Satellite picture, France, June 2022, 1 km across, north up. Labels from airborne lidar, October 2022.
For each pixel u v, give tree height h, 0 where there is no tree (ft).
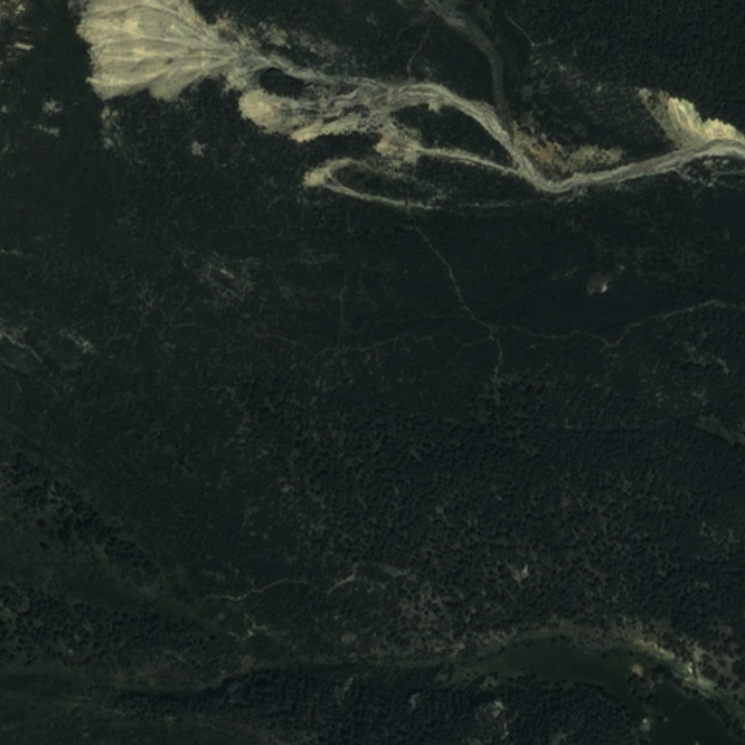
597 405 39
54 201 0
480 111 0
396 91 0
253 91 0
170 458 29
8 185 0
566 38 24
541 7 25
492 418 45
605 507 52
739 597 47
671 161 0
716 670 24
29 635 85
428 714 44
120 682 0
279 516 23
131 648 28
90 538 106
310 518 33
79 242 0
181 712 35
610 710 45
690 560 55
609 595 46
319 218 22
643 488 38
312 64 28
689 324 36
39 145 0
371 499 62
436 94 0
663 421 18
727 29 52
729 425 60
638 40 35
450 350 19
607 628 23
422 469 64
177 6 0
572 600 65
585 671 0
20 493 24
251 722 28
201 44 0
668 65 27
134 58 0
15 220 0
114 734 21
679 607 46
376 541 54
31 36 0
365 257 0
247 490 19
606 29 32
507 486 44
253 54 0
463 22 0
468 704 55
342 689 25
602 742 63
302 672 22
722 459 51
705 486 58
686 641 23
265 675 29
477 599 60
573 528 28
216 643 57
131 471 23
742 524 42
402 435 53
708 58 28
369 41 19
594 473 49
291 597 18
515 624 68
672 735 0
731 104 44
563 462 54
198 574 18
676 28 40
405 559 44
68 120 0
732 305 22
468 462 43
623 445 49
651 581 67
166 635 42
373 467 45
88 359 17
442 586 51
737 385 30
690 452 40
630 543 59
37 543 0
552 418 47
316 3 20
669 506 58
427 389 33
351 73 20
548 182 0
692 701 0
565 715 52
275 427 59
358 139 19
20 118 0
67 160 0
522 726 43
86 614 44
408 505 67
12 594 48
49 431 27
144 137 19
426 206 21
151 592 0
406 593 59
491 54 0
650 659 21
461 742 36
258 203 20
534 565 73
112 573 0
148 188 21
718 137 0
